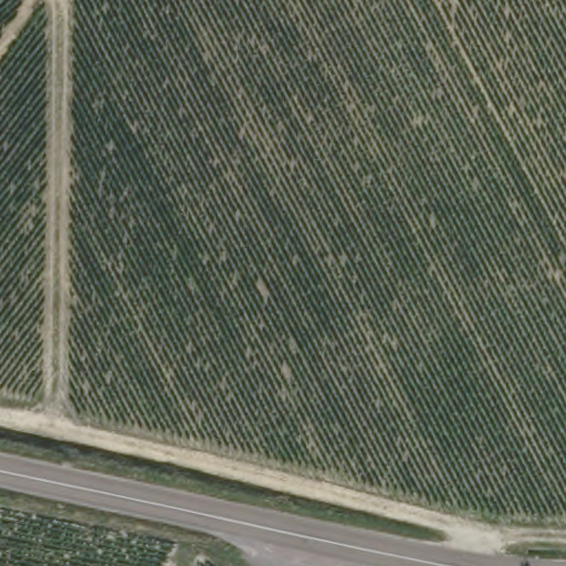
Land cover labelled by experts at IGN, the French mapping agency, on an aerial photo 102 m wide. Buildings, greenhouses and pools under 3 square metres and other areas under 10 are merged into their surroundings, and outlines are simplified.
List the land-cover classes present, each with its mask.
<instances>
[{"label":"vineyard","instance_id":"1","mask_svg":"<svg viewBox=\"0 0 566 566\"><path fill-rule=\"evenodd\" d=\"M22 0H0V35L2 29L15 18ZM69 279L71 290L77 294V303L69 307L71 321L66 345L71 402L64 407V418L82 427H93L186 451L210 453L217 458L261 469L283 471L303 480L334 484L349 491L458 515L469 522H482L489 526L566 528V0H73ZM49 24V15L46 2H35L29 20L15 35V40L9 44L7 53L0 57V407L31 411L35 405L44 400L40 327L44 323L42 274L46 261L44 192L49 46L44 31ZM11 528L13 522L0 520V566H168L166 555L172 548V542L159 535L122 531V537H115V533H108V526H93V542H84L73 539V520L38 515V520H31L24 513V517L20 520V531L13 537H9L2 535V528Z\"/></svg>","mask_w":566,"mask_h":566},{"label":"impervious surface","instance_id":"2","mask_svg":"<svg viewBox=\"0 0 566 566\"><path fill-rule=\"evenodd\" d=\"M0 489L91 506L108 513L177 524L192 531H203L223 542L234 544L250 566H522V562L506 548L493 555H484L451 548L444 539H416L352 524L325 522L307 515L283 513L276 509L230 502L195 491L139 482L133 478L84 471L73 467L71 462H49L0 451Z\"/></svg>","mask_w":566,"mask_h":566},{"label":"herbaceous vegetation","instance_id":"3","mask_svg":"<svg viewBox=\"0 0 566 566\"><path fill-rule=\"evenodd\" d=\"M35 2H46L49 15V24L44 31L49 46L44 192L46 261L42 274L44 323L40 327L44 400L35 405L31 411L64 418V407L71 402L66 345L71 321L69 307L77 303V294L71 290L69 279L73 0H22L15 18L2 29L0 35V57L7 53L9 44L15 40V35L29 20ZM24 513L31 520H38V515L73 520V539L84 542H93V526H108V533H115V537H122V531L159 535L172 542V548L166 555L168 566H250L234 544L223 542L203 531H192L177 524L108 513L91 506L0 489V520L13 522L11 528H2V535L9 537H13L20 531V520L24 517ZM522 562V566H566V546L535 542L513 544L506 548Z\"/></svg>","mask_w":566,"mask_h":566},{"label":"pervious surface","instance_id":"4","mask_svg":"<svg viewBox=\"0 0 566 566\"><path fill-rule=\"evenodd\" d=\"M0 427L40 433L57 440L82 442L159 462H172L276 491H290L296 495L334 502L358 511H369L376 515L442 531L444 539L451 548L484 555H493L506 548L513 544L535 542L566 546V528L489 526L482 522H469L458 515L349 491L334 484L303 480L283 471L261 469L217 458L210 453L186 451L93 427H82L64 418L31 411L0 407Z\"/></svg>","mask_w":566,"mask_h":566},{"label":"brushwood","instance_id":"5","mask_svg":"<svg viewBox=\"0 0 566 566\"><path fill-rule=\"evenodd\" d=\"M0 451L49 462H71L73 467L84 471L133 478L139 482L195 491L230 502L276 509L283 513L307 515L325 522L352 524L416 539H444L442 531L376 515L369 511H358L334 502L296 495L290 491H276L172 462H159L82 442L57 440L40 433L0 427Z\"/></svg>","mask_w":566,"mask_h":566}]
</instances>
